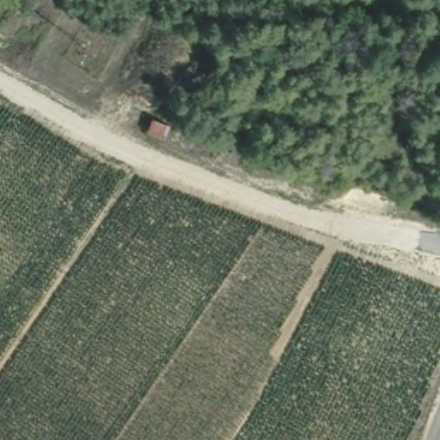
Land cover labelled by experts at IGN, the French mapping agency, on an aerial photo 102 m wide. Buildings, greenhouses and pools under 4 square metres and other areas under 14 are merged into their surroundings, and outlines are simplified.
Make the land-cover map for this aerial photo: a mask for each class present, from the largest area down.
<instances>
[{"label":"vineyard","instance_id":"1","mask_svg":"<svg viewBox=\"0 0 440 440\"><path fill-rule=\"evenodd\" d=\"M392 260L388 256L368 251L364 244L344 241L339 235L302 227L280 218L263 217L261 220H254L229 208L206 203L187 192L158 184L155 180L144 179L137 175L136 168L124 160L96 150L95 146L86 143L72 144L69 139L58 136L38 120L26 115L24 108L15 105L7 96L0 93V440H421L431 407L437 406L440 409V284H426L423 280L409 277L406 273L388 270L387 266Z\"/></svg>","mask_w":440,"mask_h":440},{"label":"coniferous trees","instance_id":"2","mask_svg":"<svg viewBox=\"0 0 440 440\"><path fill-rule=\"evenodd\" d=\"M34 0H0V33L5 40H10L14 38L19 26H31L40 21L34 15ZM55 7L64 10L69 19H77L84 26H88L89 31L95 33H127L139 15H148L153 21H160L162 29L172 27L177 36L186 38L187 43L191 45V57L198 60V69L192 70L191 76L182 81L180 88L175 89L174 95L168 100L170 113L165 119L162 124L170 127L179 131L186 141H192L194 144L218 143L227 148V153L237 151L239 167L253 177L284 180L292 187H313L311 198L315 199L318 205L328 199L340 198L345 192L359 187L364 192H376L383 199H388L383 210L385 217L414 222L426 220L437 223L440 227V0H53Z\"/></svg>","mask_w":440,"mask_h":440},{"label":"pervious surface","instance_id":"3","mask_svg":"<svg viewBox=\"0 0 440 440\"><path fill-rule=\"evenodd\" d=\"M0 93L7 96L15 105L24 108L26 115L38 120L58 136L69 139L72 144L86 143L95 146L96 150L124 160L136 168L137 175L144 179L155 180L158 184L187 192L206 203L229 208L254 220H261L263 217L280 218L302 227L339 235L344 241L364 244L368 251L388 256L392 260L387 266L388 270L406 273L409 277L423 280L426 284H440V227L437 223L426 220L414 222L385 217L383 210L388 199H383L376 192H364L359 187L345 192L340 198L328 199L333 206H344V213L311 210L277 196H268L244 184H237L234 180L223 179L198 165L182 162L174 156L163 155L160 151L141 143V139L137 137L122 136L115 129L113 122L100 119L96 113L93 119H82L77 113L70 112L67 108L53 103L45 95L36 93L24 82L0 72Z\"/></svg>","mask_w":440,"mask_h":440},{"label":"herbaceous vegetation","instance_id":"4","mask_svg":"<svg viewBox=\"0 0 440 440\"><path fill-rule=\"evenodd\" d=\"M34 15L40 21L31 26H19L14 38L10 40H5L0 33V72L24 82L36 93L45 95L53 103L67 108L70 112L77 113L82 119H93L96 113L100 119L113 122L115 129L122 136L137 137L141 139V143L160 151L163 155L174 156L182 162L198 165L223 179L234 180L237 184H244L268 196H277L311 210L344 213V206H333L328 199L318 205L315 199L311 198L313 187H292L284 180L253 177L239 167L237 151L227 153V148L218 143L194 144L192 141H186L179 131L170 127L168 136L160 139L153 136L148 129L153 122L162 124L165 119L156 108L151 107L148 98L117 95L107 81L110 72L124 58V53L131 48L132 43L141 38L143 22L148 15H139L127 33H95L89 31L88 26H84L77 19H69L64 10L55 7L53 0H34Z\"/></svg>","mask_w":440,"mask_h":440},{"label":"brushwood","instance_id":"5","mask_svg":"<svg viewBox=\"0 0 440 440\"><path fill-rule=\"evenodd\" d=\"M198 69V60L191 57V45L187 43L186 38L177 36L172 27L162 29L160 21H153L148 15L143 22L141 38L132 43L131 48L124 53V58L110 72L107 81L117 95L148 98L151 107L156 108L165 119L170 113L168 100L174 95L175 89L180 88L182 81L191 76L192 70Z\"/></svg>","mask_w":440,"mask_h":440},{"label":"impervious surface","instance_id":"6","mask_svg":"<svg viewBox=\"0 0 440 440\"><path fill-rule=\"evenodd\" d=\"M421 440H440V409L437 406L431 407Z\"/></svg>","mask_w":440,"mask_h":440},{"label":"building","instance_id":"7","mask_svg":"<svg viewBox=\"0 0 440 440\"><path fill-rule=\"evenodd\" d=\"M153 136L160 139L168 136L170 127L162 124L153 122L148 129Z\"/></svg>","mask_w":440,"mask_h":440}]
</instances>
